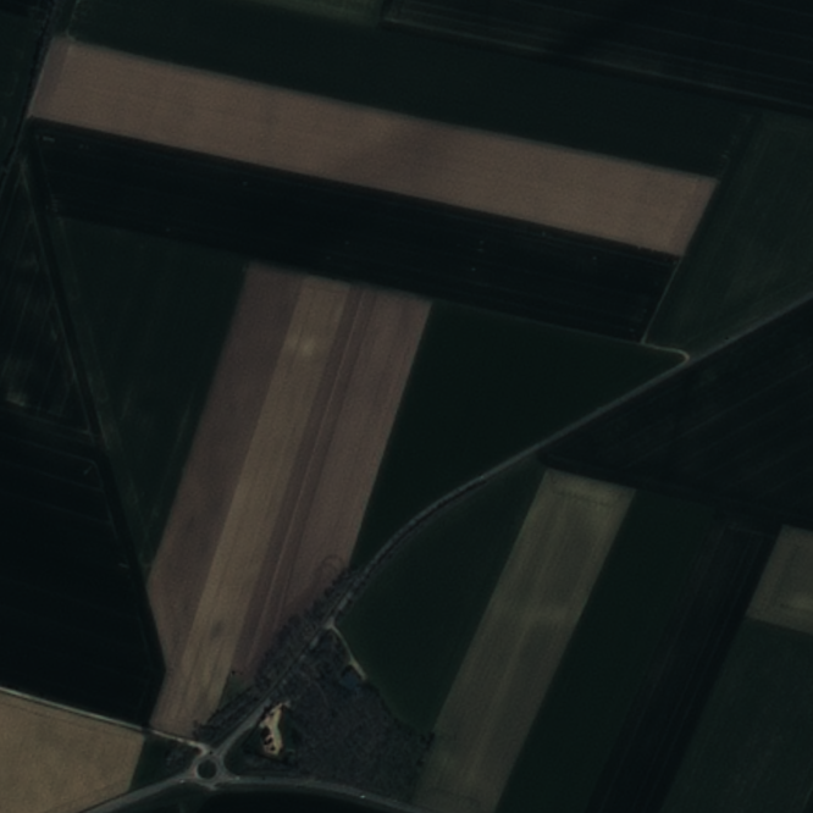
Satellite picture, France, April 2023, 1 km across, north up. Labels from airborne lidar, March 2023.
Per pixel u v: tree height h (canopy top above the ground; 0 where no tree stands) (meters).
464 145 0
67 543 0
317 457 0
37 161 0
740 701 0
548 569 0
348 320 0
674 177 0
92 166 0
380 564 8
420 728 0
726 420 0
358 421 0
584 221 0
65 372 0
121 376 0
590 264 0
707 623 0
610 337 0
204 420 0
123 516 0
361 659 0
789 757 0
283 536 0
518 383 0
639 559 0
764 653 0
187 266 0
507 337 0
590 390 0
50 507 0
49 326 0
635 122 0
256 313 0
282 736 0
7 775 0
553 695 0
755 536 0
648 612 0
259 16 0
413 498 0
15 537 0
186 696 0
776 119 0
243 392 0
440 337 0
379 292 0
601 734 0
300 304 0
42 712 0
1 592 0
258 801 0
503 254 0
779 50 0
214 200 0
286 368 0
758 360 0
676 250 0
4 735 0
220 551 0
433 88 0
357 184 0
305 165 0
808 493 0
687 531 0
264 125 0
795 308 0
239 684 0
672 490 0
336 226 0
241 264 0
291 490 0
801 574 0
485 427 0
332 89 0
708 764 0
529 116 0
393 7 0
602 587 0
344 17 0
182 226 0
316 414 0
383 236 0
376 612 0
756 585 0
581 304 0
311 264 0
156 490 0
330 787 0
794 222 0
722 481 0
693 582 0
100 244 0
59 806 0
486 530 0
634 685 0
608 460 0
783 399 0
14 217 0
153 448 0
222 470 0
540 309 0
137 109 0
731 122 0
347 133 0
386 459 0
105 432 0
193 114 0
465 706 0
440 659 0
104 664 0
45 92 0
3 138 0
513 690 0
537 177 0
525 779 0
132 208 0
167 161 0
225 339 0
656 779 0
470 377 0
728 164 0
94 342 0
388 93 0
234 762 0
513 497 0
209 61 0
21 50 0
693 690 0
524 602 0
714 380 0
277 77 0
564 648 0
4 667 0
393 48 0
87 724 0
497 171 0
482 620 0
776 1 0
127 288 0
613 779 0
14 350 0
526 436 0
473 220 0
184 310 0
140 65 0
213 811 0
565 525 0
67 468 0
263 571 0
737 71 0
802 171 0
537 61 0
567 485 0
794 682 0
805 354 0
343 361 0
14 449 0
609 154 0
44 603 0
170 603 0
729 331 0
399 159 0
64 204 0
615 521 0
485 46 0
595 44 0
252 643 0
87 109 0
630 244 0
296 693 17
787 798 0
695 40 0
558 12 0
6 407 0
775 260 0
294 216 0
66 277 0
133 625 0
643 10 0
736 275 0
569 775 0
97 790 0
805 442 0
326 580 0
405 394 0
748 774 0
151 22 0
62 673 0
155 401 0
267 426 0
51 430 0
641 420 0
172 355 0
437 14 0
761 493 0
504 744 0
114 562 0
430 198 0
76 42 0
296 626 13
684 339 0
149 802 0
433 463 0
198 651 0
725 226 0
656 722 0
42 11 0
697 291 0
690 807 0
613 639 0
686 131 0
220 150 0
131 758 0
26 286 0
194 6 0
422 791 0
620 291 0
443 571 0
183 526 0
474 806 0
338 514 0
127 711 0
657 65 0
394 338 0
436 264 0
